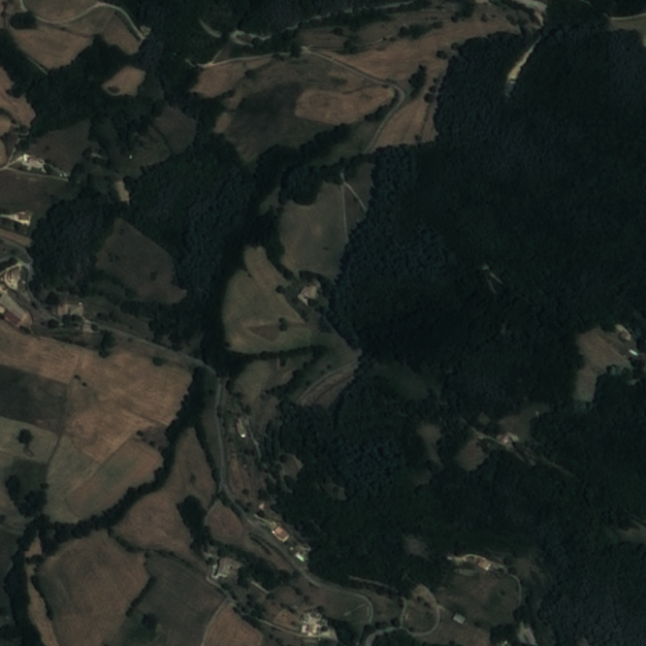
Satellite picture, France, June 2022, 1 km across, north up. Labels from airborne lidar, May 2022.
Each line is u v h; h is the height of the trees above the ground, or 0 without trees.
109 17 0
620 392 17
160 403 0
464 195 23
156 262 0
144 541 0
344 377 0
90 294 19
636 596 15
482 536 0
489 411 17
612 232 18
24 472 0
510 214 20
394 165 32
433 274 32
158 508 0
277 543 0
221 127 0
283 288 12
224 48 0
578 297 18
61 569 0
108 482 0
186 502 10
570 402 15
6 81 0
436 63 0
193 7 20
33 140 8
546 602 9
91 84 12
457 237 13
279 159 24
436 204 12
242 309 0
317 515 17
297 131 0
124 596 0
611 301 22
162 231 10
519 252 25
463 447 13
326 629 10
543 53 19
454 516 10
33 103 9
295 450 15
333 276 0
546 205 18
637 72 18
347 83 0
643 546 14
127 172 0
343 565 20
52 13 0
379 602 0
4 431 0
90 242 16
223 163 18
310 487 15
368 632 14
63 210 27
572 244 24
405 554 18
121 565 0
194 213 21
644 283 26
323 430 20
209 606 0
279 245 11
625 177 23
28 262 0
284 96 0
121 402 0
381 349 18
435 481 12
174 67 16
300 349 9
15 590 28
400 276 30
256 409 0
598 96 19
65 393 0
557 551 30
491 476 16
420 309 14
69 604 0
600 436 19
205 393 18
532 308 20
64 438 0
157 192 15
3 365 0
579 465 14
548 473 15
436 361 14
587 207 19
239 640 0
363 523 17
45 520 20
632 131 18
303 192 19
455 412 13
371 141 0
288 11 16
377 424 18
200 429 14
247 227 13
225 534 0
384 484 31
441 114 18
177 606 0
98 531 20
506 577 0
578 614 21
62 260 15
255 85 0
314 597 0
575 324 24
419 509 17
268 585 12
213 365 16
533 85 12
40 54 0
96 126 13
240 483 0
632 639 13
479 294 17
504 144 26
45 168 8
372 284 22
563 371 24
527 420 0
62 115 20
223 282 16
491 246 24
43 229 20
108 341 12
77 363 0
